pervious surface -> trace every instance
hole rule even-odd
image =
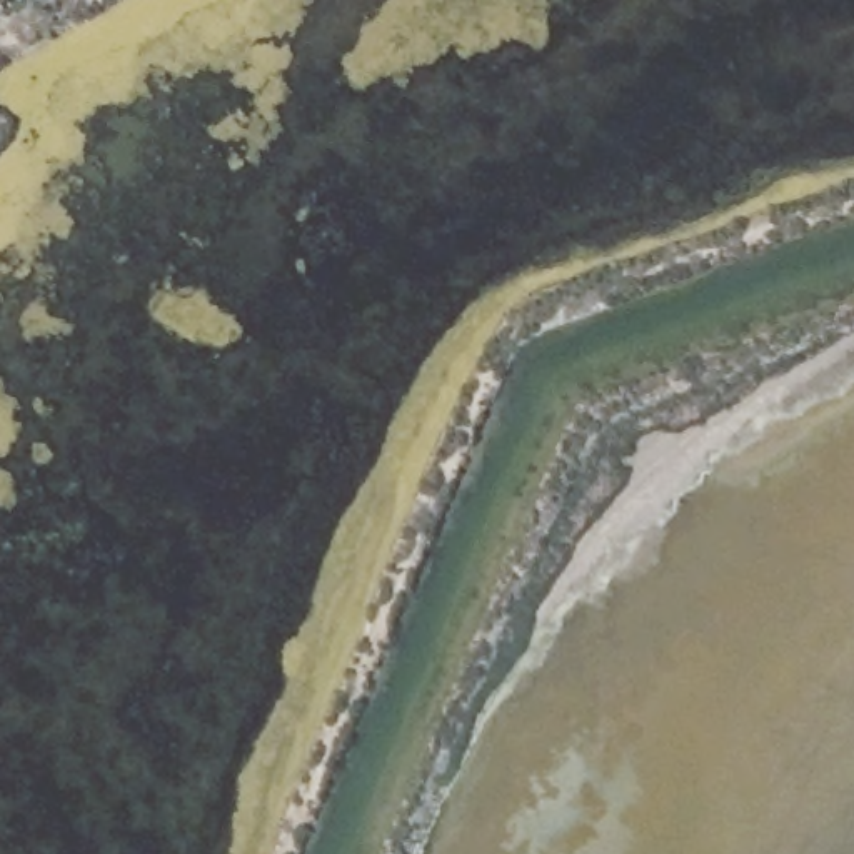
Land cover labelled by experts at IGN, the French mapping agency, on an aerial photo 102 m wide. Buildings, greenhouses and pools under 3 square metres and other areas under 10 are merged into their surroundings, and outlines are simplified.
[[[467,414],[477,417],[484,410],[484,400],[497,390],[497,377],[494,370],[480,374],[467,407]]]
[[[163,324],[183,340],[210,347],[224,347],[240,334],[240,324],[220,307],[214,307],[203,290],[183,287],[173,294],[150,297],[150,314],[157,324]]]
[[[120,0],[113,10],[93,20],[70,23],[57,40],[33,43],[20,60],[13,60],[0,73],[0,250],[10,247],[17,254],[37,254],[43,244],[50,244],[50,237],[70,234],[67,210],[60,203],[47,203],[40,197],[40,187],[53,170],[80,160],[80,123],[103,103],[127,103],[140,97],[147,90],[143,77],[150,70],[193,77],[203,67],[230,70],[237,87],[247,87],[254,93],[254,110],[234,110],[230,117],[210,127],[210,137],[247,140],[247,153],[257,163],[260,150],[280,133],[277,103],[284,100],[284,70],[290,63],[290,50],[274,47],[270,33],[294,33],[304,20],[307,0]]]
[[[547,0],[387,0],[380,13],[370,23],[364,23],[357,47],[344,57],[344,70],[354,87],[367,87],[377,77],[390,77],[397,87],[404,87],[410,67],[430,63],[447,50],[470,57],[480,50],[494,50],[504,40],[544,47]]]
[[[400,604],[410,570],[424,557],[437,504],[434,494],[420,490],[420,480],[430,470],[437,444],[447,434],[457,394],[470,377],[470,367],[480,360],[487,340],[507,327],[507,314],[514,307],[530,300],[537,290],[550,290],[560,280],[651,250],[664,250],[664,260],[651,267],[624,267],[624,277],[657,277],[681,264],[701,264],[701,234],[721,230],[741,217],[747,217],[751,224],[744,230],[747,244],[754,244],[764,244],[771,234],[771,207],[837,187],[841,180],[831,167],[784,177],[737,207],[717,210],[694,224],[681,224],[667,234],[627,240],[614,250],[577,250],[564,264],[527,270],[507,280],[504,287],[487,290],[460,314],[460,320],[440,337],[434,354],[424,360],[410,394],[390,420],[374,470],[367,474],[354,504],[344,510],[334,530],[330,550],[314,587],[310,617],[284,647],[284,694],[274,704],[254,744],[254,754],[237,781],[234,837],[227,854],[294,854],[297,827],[310,821],[327,771],[314,767],[310,781],[300,784],[297,771],[317,744],[334,744],[347,731],[357,701],[364,697],[370,667],[380,661],[380,647],[390,630],[390,614]]]
[[[540,324],[544,334],[590,320],[607,310],[600,297],[584,297],[584,304],[577,307],[557,307],[557,314]]]
[[[10,450],[17,424],[13,397],[3,394],[0,384],[0,454]]]
[[[627,570],[641,574],[644,567],[657,564],[664,524],[677,514],[684,494],[697,490],[707,477],[724,487],[757,487],[761,477],[794,470],[797,447],[811,440],[814,430],[844,417],[854,407],[854,324],[844,327],[837,344],[797,364],[794,370],[764,380],[737,407],[711,417],[707,427],[641,437],[637,454],[630,457],[627,490],[577,544],[567,570],[557,577],[557,584],[537,607],[527,651],[477,714],[470,734],[470,747],[477,747],[500,704],[520,687],[520,681],[534,667],[547,661],[564,617],[577,604],[594,604],[614,577]]]

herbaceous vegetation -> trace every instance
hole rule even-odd
[[[0,73],[13,60],[20,60],[33,43],[57,40],[70,23],[93,20],[113,10],[120,0],[0,0]]]

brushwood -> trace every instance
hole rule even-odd
[[[437,444],[430,470],[420,480],[420,490],[434,494],[437,504],[450,494],[450,480],[464,464],[464,450],[474,447],[477,417],[467,414],[467,407],[480,374],[494,370],[497,377],[507,364],[514,364],[514,357],[527,344],[540,340],[544,334],[540,324],[557,314],[557,307],[577,307],[584,304],[584,297],[600,297],[607,310],[624,310],[664,294],[687,290],[714,277],[717,264],[727,267],[737,260],[751,260],[754,244],[747,244],[744,230],[751,224],[747,217],[741,217],[721,230],[701,234],[701,264],[681,264],[657,277],[624,277],[624,267],[651,267],[664,260],[664,250],[651,250],[560,280],[550,290],[537,290],[530,300],[514,307],[507,314],[507,327],[487,340],[480,360],[470,367],[470,377],[457,394],[447,434]]]
[[[300,784],[310,781],[314,767],[327,771],[334,761],[334,744],[317,744],[297,771]]]
[[[854,220],[854,160],[831,167],[841,180],[837,187],[771,207],[771,234],[764,244],[777,250],[794,240],[814,237],[817,224],[827,230]]]
[[[787,314],[774,324],[754,327],[744,337],[711,340],[707,350],[687,350],[681,360],[671,364],[671,374],[664,374],[657,364],[644,364],[641,370],[627,370],[620,380],[607,380],[594,394],[564,404],[550,430],[540,470],[507,524],[504,547],[490,570],[487,597],[474,620],[474,634],[460,644],[447,671],[447,684],[427,714],[424,734],[407,767],[397,777],[390,804],[377,821],[370,854],[424,854],[440,804],[447,804],[447,797],[457,791],[470,761],[477,757],[477,747],[470,747],[470,734],[477,714],[527,651],[537,607],[557,584],[557,577],[567,570],[577,544],[627,490],[630,457],[637,454],[641,437],[707,427],[711,417],[737,407],[764,380],[794,370],[797,364],[837,344],[844,327],[854,324],[854,294],[847,300],[827,300],[814,310]]]

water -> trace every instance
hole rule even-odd
[[[534,667],[520,681],[520,687],[500,704],[477,747],[477,757],[470,761],[457,791],[447,797],[447,804],[440,804],[424,854],[854,854],[854,407],[844,417],[814,430],[811,440],[797,447],[794,470],[761,477],[757,487],[724,487],[707,477],[697,490],[684,494],[677,514],[664,524],[657,564],[644,567],[641,574],[627,570],[614,577],[594,604],[577,604],[564,617],[547,661]]]
[[[437,504],[424,557],[410,570],[400,604],[390,614],[390,630],[380,647],[380,661],[370,667],[364,697],[357,701],[347,731],[334,744],[334,761],[327,771],[310,821],[297,827],[294,854],[370,854],[377,821],[390,804],[397,777],[407,767],[424,734],[427,714],[447,684],[447,671],[460,644],[474,634],[474,620],[487,597],[490,570],[504,547],[507,524],[540,470],[550,430],[564,404],[594,394],[607,380],[620,380],[627,370],[641,370],[644,364],[657,364],[664,374],[671,374],[671,364],[681,360],[687,350],[707,350],[711,340],[744,337],[754,327],[774,324],[787,314],[814,310],[827,300],[847,300],[854,294],[854,220],[827,230],[817,224],[814,237],[794,240],[777,250],[764,244],[754,244],[751,260],[737,260],[727,267],[717,264],[714,277],[687,290],[664,294],[624,310],[607,310],[590,320],[544,334],[540,340],[527,344],[514,357],[514,364],[507,364],[497,377],[497,390],[484,400],[484,410],[477,417],[474,447],[464,450],[464,464],[450,480],[450,494]]]
[[[410,394],[424,360],[434,354],[440,337],[460,320],[460,314],[487,290],[504,287],[507,280],[527,270],[564,264],[577,250],[614,250],[627,240],[667,234],[681,224],[694,224],[717,210],[737,207],[784,177],[831,167],[854,160],[854,0],[547,0],[544,47],[504,40],[494,50],[480,50],[470,57],[447,50],[430,63],[410,67],[404,87],[397,87],[390,77],[377,77],[367,87],[354,87],[344,70],[344,57],[357,47],[364,23],[370,23],[380,13],[387,0],[307,0],[304,20],[294,33],[270,33],[274,47],[290,50],[290,63],[284,70],[284,100],[277,103],[280,133],[260,150],[257,163],[247,153],[247,140],[210,137],[210,127],[230,117],[234,110],[254,110],[254,93],[247,87],[237,87],[230,70],[203,67],[193,77],[150,70],[143,77],[147,90],[140,97],[127,103],[103,103],[80,123],[80,160],[53,170],[40,187],[40,197],[47,203],[60,203],[67,210],[70,234],[50,237],[50,244],[43,244],[37,254],[17,254],[10,247],[0,250],[0,384],[3,394],[13,397],[17,424],[10,450],[0,454],[0,854],[227,854],[234,837],[237,781],[254,754],[254,744],[274,704],[284,694],[284,647],[310,617],[314,587],[330,550],[334,530],[344,510],[354,504],[367,474],[374,470],[390,420]],[[173,294],[183,287],[203,290],[214,307],[220,307],[240,324],[240,334],[224,347],[210,347],[183,340],[163,324],[157,324],[150,314],[150,297]]]

